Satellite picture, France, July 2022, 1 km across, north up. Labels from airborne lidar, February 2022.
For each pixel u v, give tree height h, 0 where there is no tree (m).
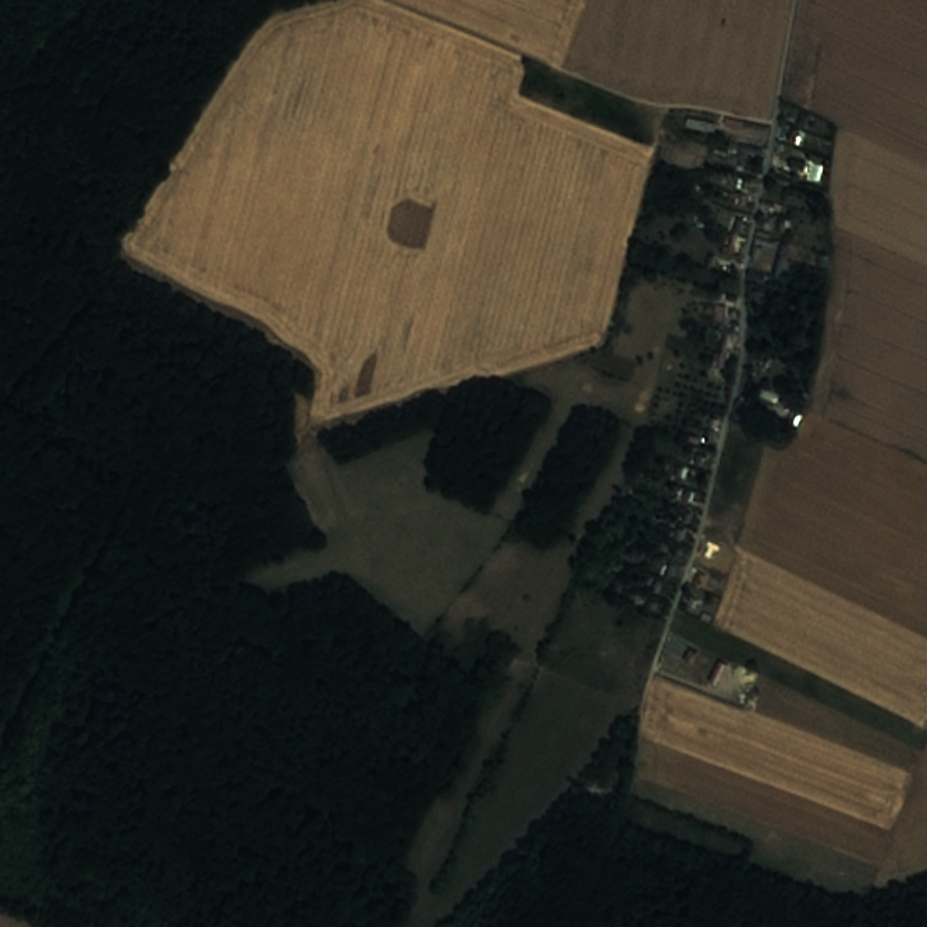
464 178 0
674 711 0
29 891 7
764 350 17
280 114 0
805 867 0
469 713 24
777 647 0
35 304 25
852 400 0
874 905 16
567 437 20
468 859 0
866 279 0
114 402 25
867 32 0
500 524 0
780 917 26
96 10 14
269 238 0
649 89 0
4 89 16
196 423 23
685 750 0
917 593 0
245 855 29
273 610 24
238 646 21
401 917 23
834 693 0
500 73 0
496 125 0
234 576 26
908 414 0
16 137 27
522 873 21
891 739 0
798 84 0
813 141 0
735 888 25
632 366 0
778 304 24
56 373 26
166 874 21
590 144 0
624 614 0
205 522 21
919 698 0
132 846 10
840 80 0
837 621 0
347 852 27
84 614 21
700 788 0
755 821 0
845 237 0
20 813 8
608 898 21
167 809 28
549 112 0
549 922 23
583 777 12
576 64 0
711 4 0
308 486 0
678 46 0
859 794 0
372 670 20
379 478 0
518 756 0
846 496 0
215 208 0
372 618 23
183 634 23
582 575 10
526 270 0
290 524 23
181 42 23
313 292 0
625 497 13
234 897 25
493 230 0
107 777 27
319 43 0
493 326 0
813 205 11
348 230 0
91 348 27
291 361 15
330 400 0
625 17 0
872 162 0
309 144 0
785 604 0
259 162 0
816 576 0
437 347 0
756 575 0
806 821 0
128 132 27
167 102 26
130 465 25
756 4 0
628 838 20
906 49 0
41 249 25
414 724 28
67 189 26
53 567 22
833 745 0
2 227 21
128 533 26
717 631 0
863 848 0
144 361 28
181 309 12
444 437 18
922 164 0
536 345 0
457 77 0
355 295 0
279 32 0
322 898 26
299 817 27
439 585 0
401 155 0
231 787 28
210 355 27
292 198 0
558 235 0
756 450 0
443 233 0
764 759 0
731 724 0
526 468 0
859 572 0
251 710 19
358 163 0
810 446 0
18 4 29
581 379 0
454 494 19
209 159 0
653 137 0
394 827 29
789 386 11
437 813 0
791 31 0
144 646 25
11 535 18
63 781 18
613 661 0
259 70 0
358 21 0
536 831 15
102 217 27
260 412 27
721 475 0
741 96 0
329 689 23
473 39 0
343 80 0
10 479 23
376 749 27
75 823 20
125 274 9
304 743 24
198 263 0
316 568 0
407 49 0
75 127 28
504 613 0
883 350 0
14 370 24
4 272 29
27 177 29
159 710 27
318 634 20
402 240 0
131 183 27
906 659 0
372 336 0
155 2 20
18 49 21
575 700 0
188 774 30
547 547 10
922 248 0
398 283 0
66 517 27
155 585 25
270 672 24
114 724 27
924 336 0
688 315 9
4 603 27
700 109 0
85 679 16
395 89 0
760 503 0
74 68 26
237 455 23
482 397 20
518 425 24
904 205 0
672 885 20
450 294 0
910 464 0
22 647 26
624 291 7
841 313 0
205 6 25
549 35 0
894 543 0
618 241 0
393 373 0
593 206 0
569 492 28
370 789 28
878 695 0
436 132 0
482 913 9
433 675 25
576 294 0
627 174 0
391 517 0
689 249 0
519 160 0
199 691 24
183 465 25
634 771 15
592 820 24
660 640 0
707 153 0
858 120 0
